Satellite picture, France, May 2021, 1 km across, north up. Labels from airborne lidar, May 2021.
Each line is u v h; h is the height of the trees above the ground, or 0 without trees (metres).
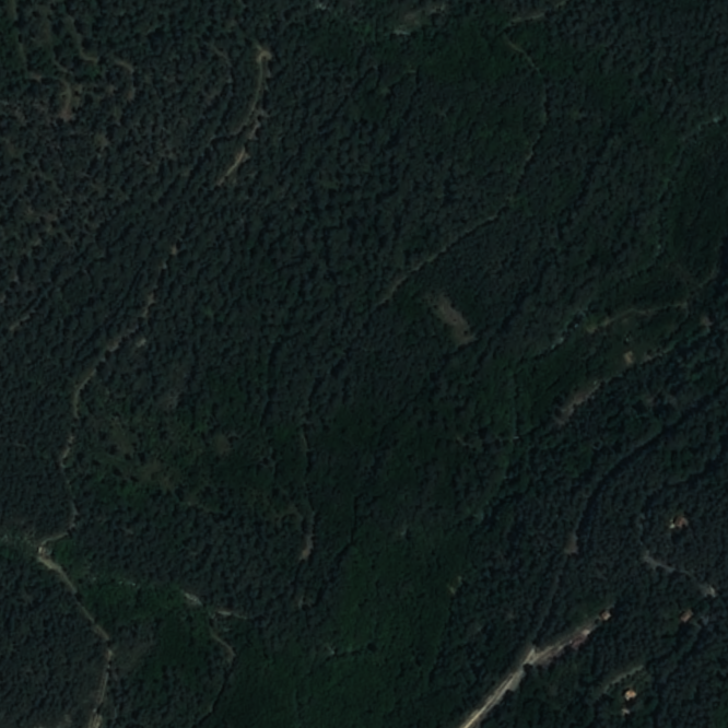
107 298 23
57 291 28
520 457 18
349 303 42
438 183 42
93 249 32
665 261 16
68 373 18
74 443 11
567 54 28
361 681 19
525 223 18
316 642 25
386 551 20
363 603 26
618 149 40
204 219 36
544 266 17
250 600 16
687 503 25
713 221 12
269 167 16
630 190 34
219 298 32
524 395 17
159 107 22
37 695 18
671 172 30
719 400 27
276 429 23
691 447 21
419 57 28
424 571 14
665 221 19
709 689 38
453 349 20
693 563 27
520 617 30
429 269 16
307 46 32
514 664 32
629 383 19
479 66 32
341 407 11
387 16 20
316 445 14
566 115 21
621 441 21
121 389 12
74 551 18
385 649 8
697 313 13
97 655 15
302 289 17
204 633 13
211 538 33
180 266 19
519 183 7
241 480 18
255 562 36
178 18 24
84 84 34
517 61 18
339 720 19
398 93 23
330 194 12
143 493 23
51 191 29
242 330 38
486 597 34
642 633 31
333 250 45
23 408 19
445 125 24
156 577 21
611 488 26
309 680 21
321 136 17
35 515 18
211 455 8
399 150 39
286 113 27
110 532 20
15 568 26
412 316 16
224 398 22
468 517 16
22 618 27
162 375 24
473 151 12
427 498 31
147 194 30
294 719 26
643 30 27
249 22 30
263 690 27
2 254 39
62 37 31
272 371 22
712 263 9
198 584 29
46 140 28
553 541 34
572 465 33
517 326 38
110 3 34
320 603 21
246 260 34
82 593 13
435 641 25
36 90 29
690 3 22
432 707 32
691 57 31
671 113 31
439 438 25
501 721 34
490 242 23
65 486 19
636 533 27
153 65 31
